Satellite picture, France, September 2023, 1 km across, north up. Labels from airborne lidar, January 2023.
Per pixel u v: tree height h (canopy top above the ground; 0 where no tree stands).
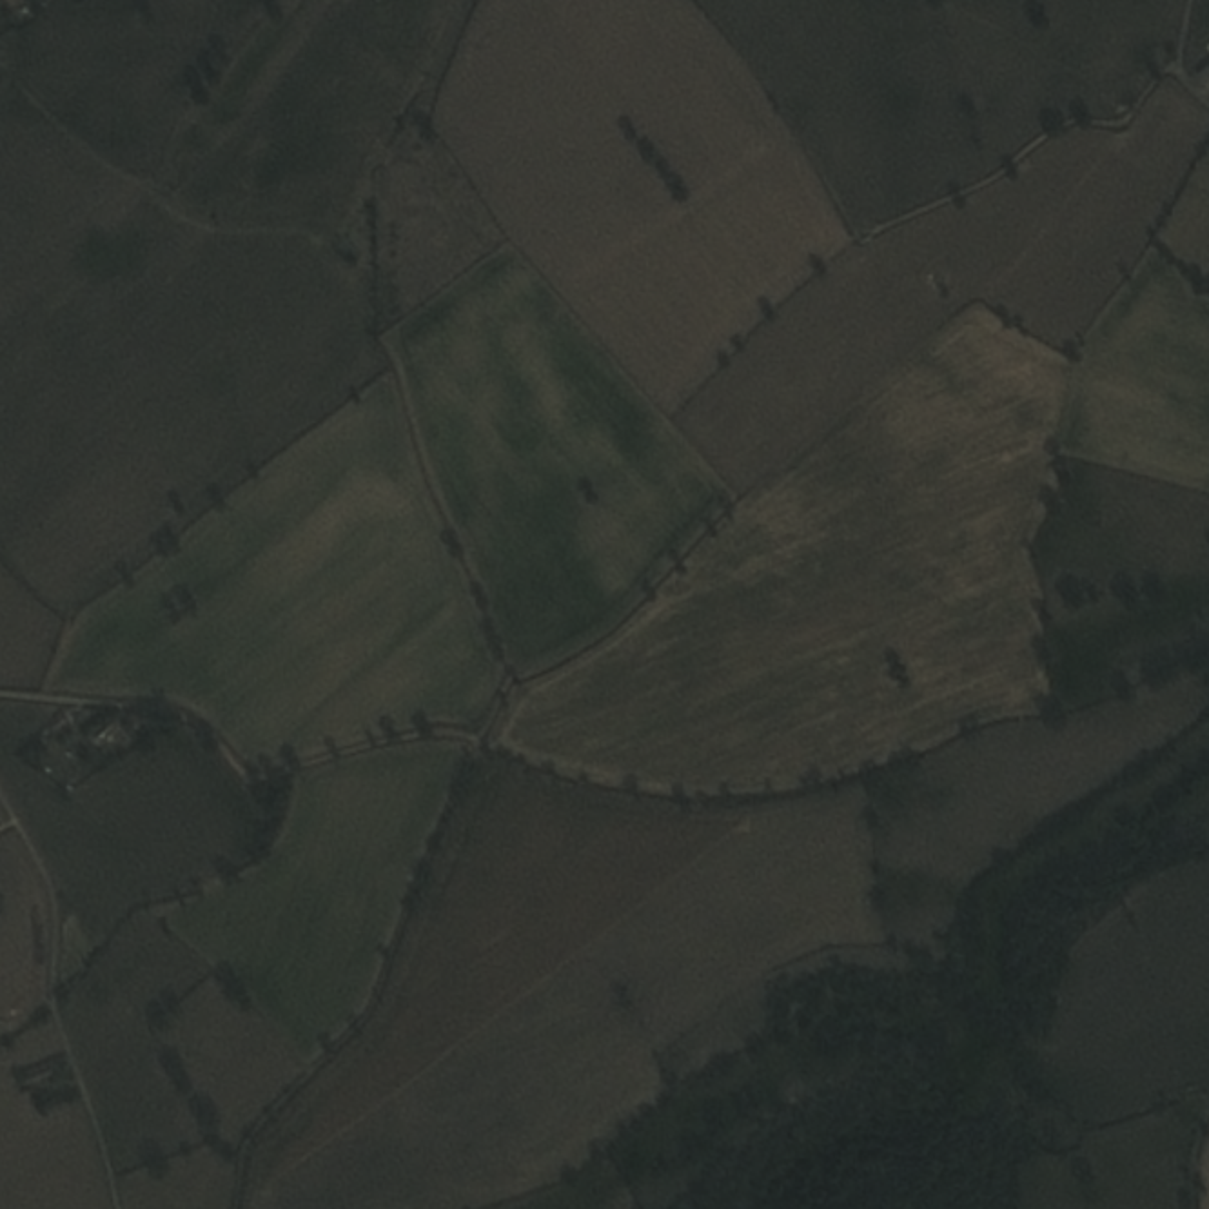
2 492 0
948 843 0
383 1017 0
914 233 0
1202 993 0
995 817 0
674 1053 0
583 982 0
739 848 0
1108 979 0
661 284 0
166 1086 0
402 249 0
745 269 0
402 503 0
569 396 0
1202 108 0
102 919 0
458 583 0
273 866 0
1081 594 19
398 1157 0
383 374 0
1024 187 0
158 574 0
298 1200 0
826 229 0
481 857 0
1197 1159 0
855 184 0
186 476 0
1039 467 0
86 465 0
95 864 0
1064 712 13
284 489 0
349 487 0
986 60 0
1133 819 16
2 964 0
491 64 0
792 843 0
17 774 0
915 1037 19
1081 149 0
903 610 0
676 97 0
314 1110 0
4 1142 0
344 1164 0
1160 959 0
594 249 0
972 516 0
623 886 0
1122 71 0
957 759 0
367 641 0
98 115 0
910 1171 22
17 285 0
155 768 0
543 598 0
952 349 0
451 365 0
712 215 0
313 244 0
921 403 0
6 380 0
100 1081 0
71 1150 0
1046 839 15
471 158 0
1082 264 0
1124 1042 0
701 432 0
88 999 0
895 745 0
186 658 0
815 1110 9
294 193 0
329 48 0
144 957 0
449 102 0
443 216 0
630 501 0
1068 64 0
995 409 0
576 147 0
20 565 0
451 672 0
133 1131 0
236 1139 0
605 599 0
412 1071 0
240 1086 0
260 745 0
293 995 0
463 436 0
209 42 0
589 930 0
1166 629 0
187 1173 0
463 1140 0
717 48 0
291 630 0
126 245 0
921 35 0
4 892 0
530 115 0
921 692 0
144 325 0
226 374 0
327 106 0
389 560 0
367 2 0
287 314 0
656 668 0
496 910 0
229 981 18
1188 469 0
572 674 0
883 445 0
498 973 0
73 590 0
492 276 0
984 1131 10
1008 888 0
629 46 0
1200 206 0
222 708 0
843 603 0
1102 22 0
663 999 0
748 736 0
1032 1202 0
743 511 0
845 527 0
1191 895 0
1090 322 0
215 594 0
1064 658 0
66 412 0
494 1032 0
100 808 0
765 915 0
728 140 0
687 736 0
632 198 0
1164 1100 7
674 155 0
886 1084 13
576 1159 0
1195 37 0
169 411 0
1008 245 0
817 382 0
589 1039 0
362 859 0
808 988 14
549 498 0
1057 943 11
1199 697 0
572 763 0
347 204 0
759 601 0
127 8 0
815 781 13
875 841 0
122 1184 0
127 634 0
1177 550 0
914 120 0
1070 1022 0
